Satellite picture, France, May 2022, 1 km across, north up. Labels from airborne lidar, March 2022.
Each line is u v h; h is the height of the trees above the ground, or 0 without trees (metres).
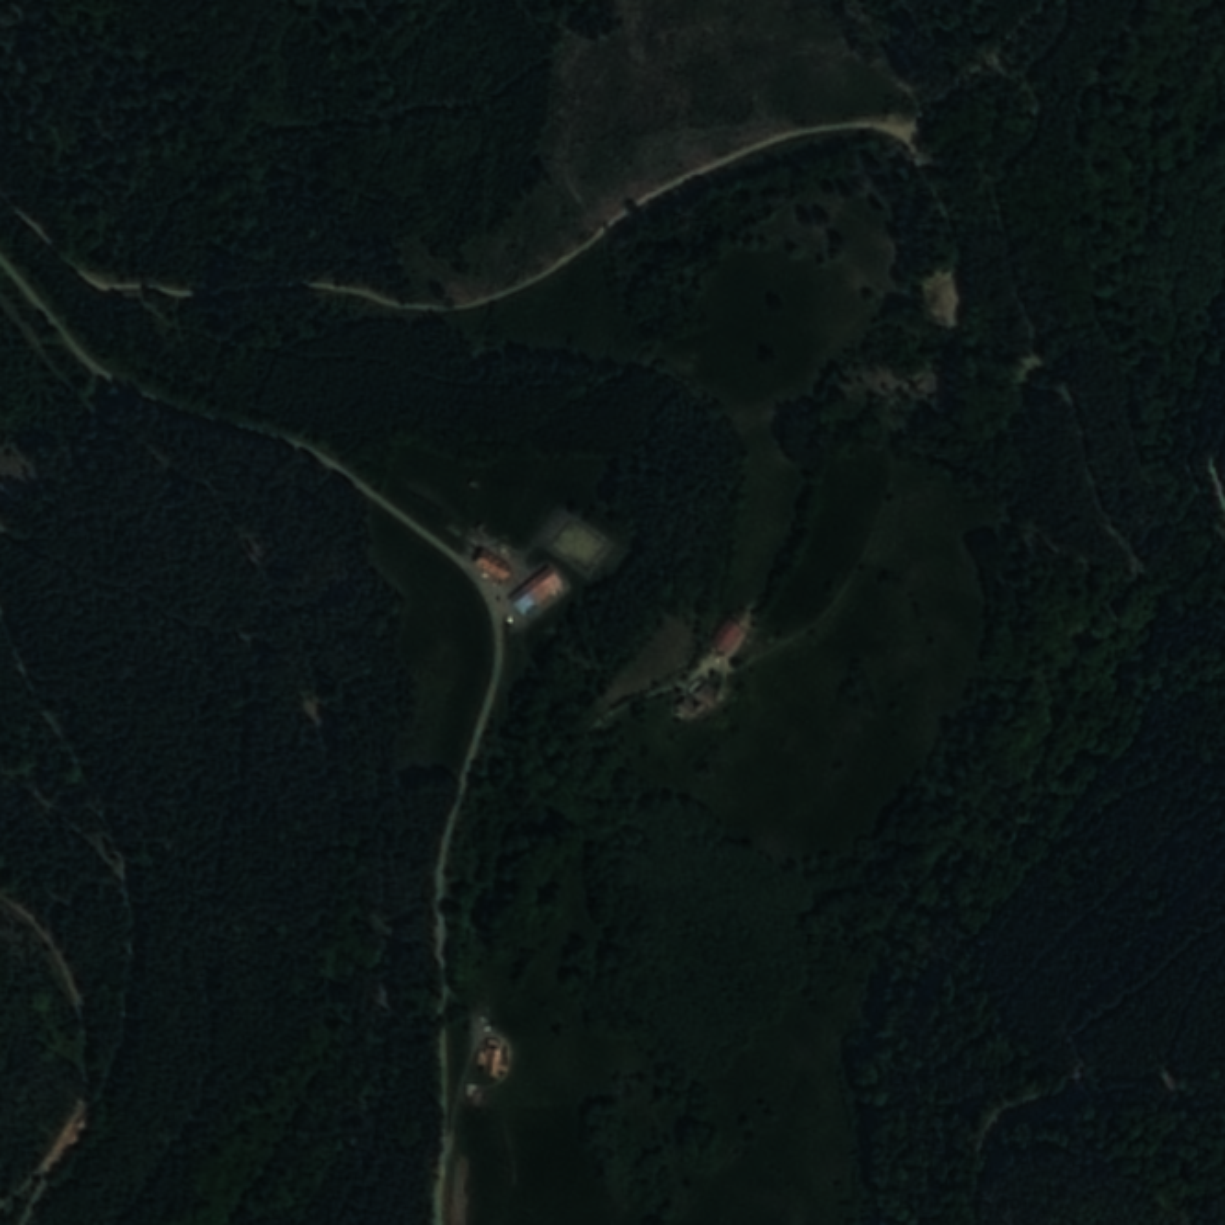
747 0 0
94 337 23
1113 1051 21
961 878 39
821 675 0
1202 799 21
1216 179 26
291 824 27
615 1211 0
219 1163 25
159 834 24
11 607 23
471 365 19
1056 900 25
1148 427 29
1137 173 31
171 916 22
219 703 28
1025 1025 24
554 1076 0
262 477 30
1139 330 29
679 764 0
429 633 0
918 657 0
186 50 15
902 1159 31
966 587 0
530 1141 0
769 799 0
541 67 14
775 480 0
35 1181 11
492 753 19
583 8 21
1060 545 20
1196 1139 29
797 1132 0
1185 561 23
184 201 13
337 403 11
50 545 29
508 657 0
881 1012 36
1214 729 25
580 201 0
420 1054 21
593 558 0
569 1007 0
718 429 14
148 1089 14
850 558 0
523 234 0
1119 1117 38
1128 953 21
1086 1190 29
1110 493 19
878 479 0
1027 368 0
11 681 15
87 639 28
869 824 0
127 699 21
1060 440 26
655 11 0
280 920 29
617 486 18
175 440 27
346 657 28
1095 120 33
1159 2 31
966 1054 34
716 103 0
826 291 0
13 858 17
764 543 0
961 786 30
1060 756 33
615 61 0
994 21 18
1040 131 18
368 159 18
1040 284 19
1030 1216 26
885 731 0
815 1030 0
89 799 23
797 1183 0
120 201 32
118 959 11
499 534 0
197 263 8
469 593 0
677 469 23
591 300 0
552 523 0
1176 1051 19
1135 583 17
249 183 23
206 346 6
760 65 0
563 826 33
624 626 23
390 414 14
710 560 19
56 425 13
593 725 0
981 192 8
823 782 0
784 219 0
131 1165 18
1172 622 23
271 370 12
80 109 29
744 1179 0
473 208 15
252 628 29
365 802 28
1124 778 26
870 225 0
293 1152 21
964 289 23
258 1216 30
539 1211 0
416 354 12
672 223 13
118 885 15
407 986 26
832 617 0
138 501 25
